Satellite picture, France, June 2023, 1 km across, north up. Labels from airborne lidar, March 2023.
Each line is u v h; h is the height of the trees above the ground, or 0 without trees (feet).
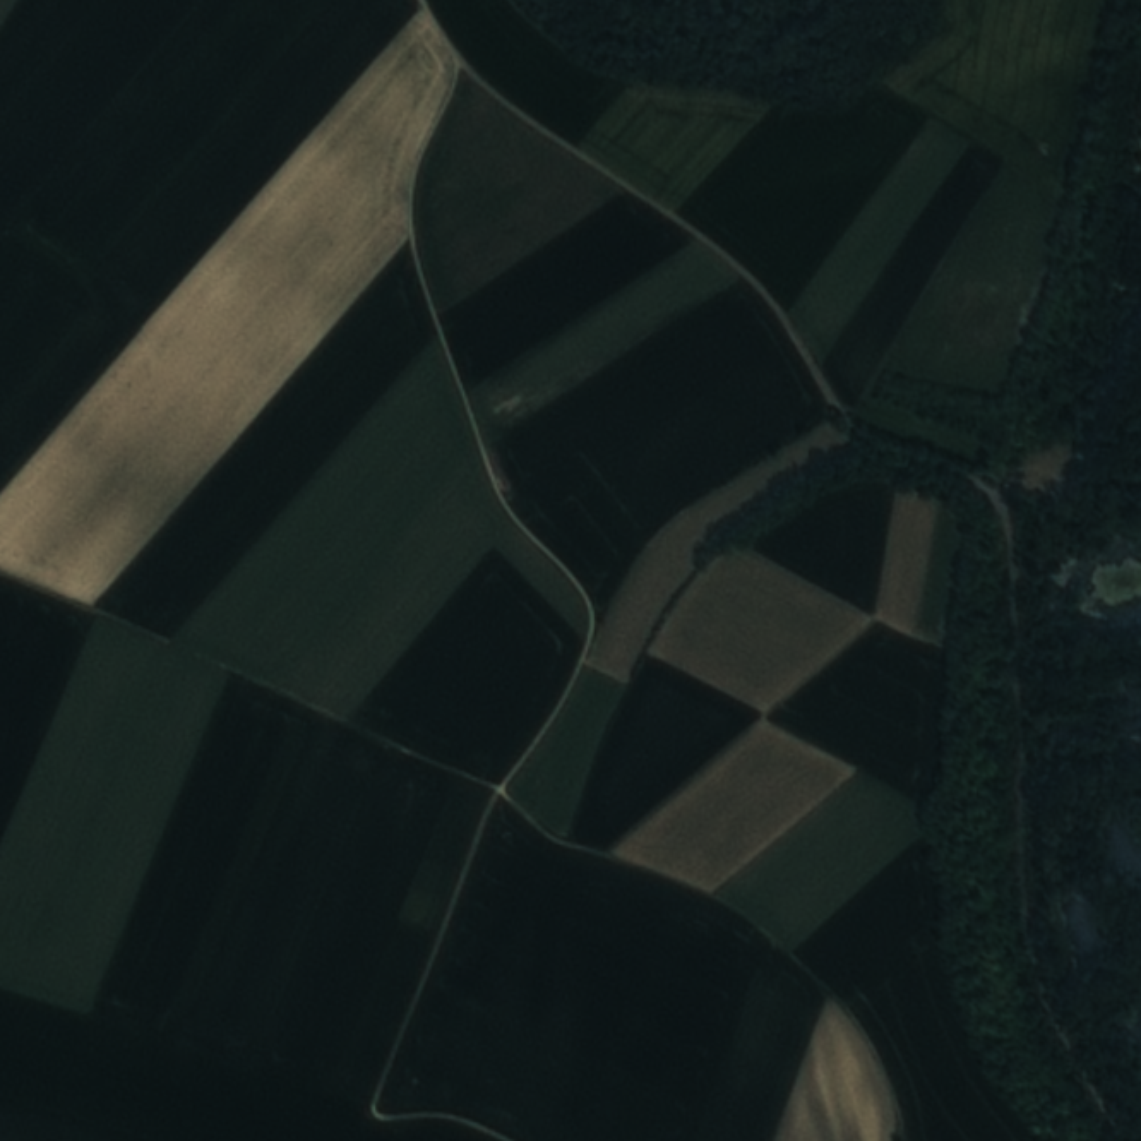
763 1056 0
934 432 0
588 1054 0
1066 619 30
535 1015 0
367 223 0
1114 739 37
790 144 0
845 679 0
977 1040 31
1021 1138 0
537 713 0
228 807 0
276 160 0
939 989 0
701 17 68
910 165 0
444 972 0
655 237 0
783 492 69
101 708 0
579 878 0
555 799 0
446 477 0
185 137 0
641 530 0
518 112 0
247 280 0
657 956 0
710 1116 0
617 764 0
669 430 0
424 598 0
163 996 0
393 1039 0
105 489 0
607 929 0
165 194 0
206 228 0
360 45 0
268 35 0
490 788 0
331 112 0
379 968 0
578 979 0
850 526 0
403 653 0
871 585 0
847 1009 0
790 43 69
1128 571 0
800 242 0
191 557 0
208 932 0
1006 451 46
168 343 0
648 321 0
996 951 48
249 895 0
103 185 0
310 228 0
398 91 0
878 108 0
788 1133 0
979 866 57
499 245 0
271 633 0
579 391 0
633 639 0
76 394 0
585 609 0
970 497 62
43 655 0
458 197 0
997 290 0
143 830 0
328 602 0
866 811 0
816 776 0
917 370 0
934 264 0
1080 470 69
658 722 0
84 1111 0
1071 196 45
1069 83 0
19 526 0
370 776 0
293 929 0
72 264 0
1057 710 29
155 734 0
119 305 0
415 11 0
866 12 74
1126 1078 107
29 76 0
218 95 0
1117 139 54
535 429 0
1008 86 0
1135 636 65
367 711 0
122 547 0
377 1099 0
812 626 0
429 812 0
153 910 0
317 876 0
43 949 0
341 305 0
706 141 0
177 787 0
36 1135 0
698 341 0
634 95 0
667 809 0
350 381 0
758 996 0
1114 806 20
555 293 0
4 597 0
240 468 0
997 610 84
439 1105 0
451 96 0
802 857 0
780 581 0
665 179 0
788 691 0
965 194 0
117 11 0
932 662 0
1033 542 66
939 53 0
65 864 0
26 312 0
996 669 88
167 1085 0
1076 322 85
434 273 0
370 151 0
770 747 0
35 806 0
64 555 0
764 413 0
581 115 0
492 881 0
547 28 52
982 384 0
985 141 0
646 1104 0
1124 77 48
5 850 0
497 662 0
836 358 0
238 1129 0
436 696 0
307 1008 0
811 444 0
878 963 0
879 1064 0
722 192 0
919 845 0
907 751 0
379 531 0
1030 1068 68
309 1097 0
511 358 0
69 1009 0
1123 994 20
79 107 0
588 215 0
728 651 0
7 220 0
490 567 0
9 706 0
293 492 0
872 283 0
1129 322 80
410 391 0
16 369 0
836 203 0
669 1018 0
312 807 0
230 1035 0
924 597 0
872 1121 0
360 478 0
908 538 0
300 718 0
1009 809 82
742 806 0
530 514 0
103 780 0
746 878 0
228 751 0
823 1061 0
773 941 0
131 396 0
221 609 0
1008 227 0
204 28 0
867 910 0
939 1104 0
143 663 0
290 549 0
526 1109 0
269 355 0
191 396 0
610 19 72
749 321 0
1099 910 92
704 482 0
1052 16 0
